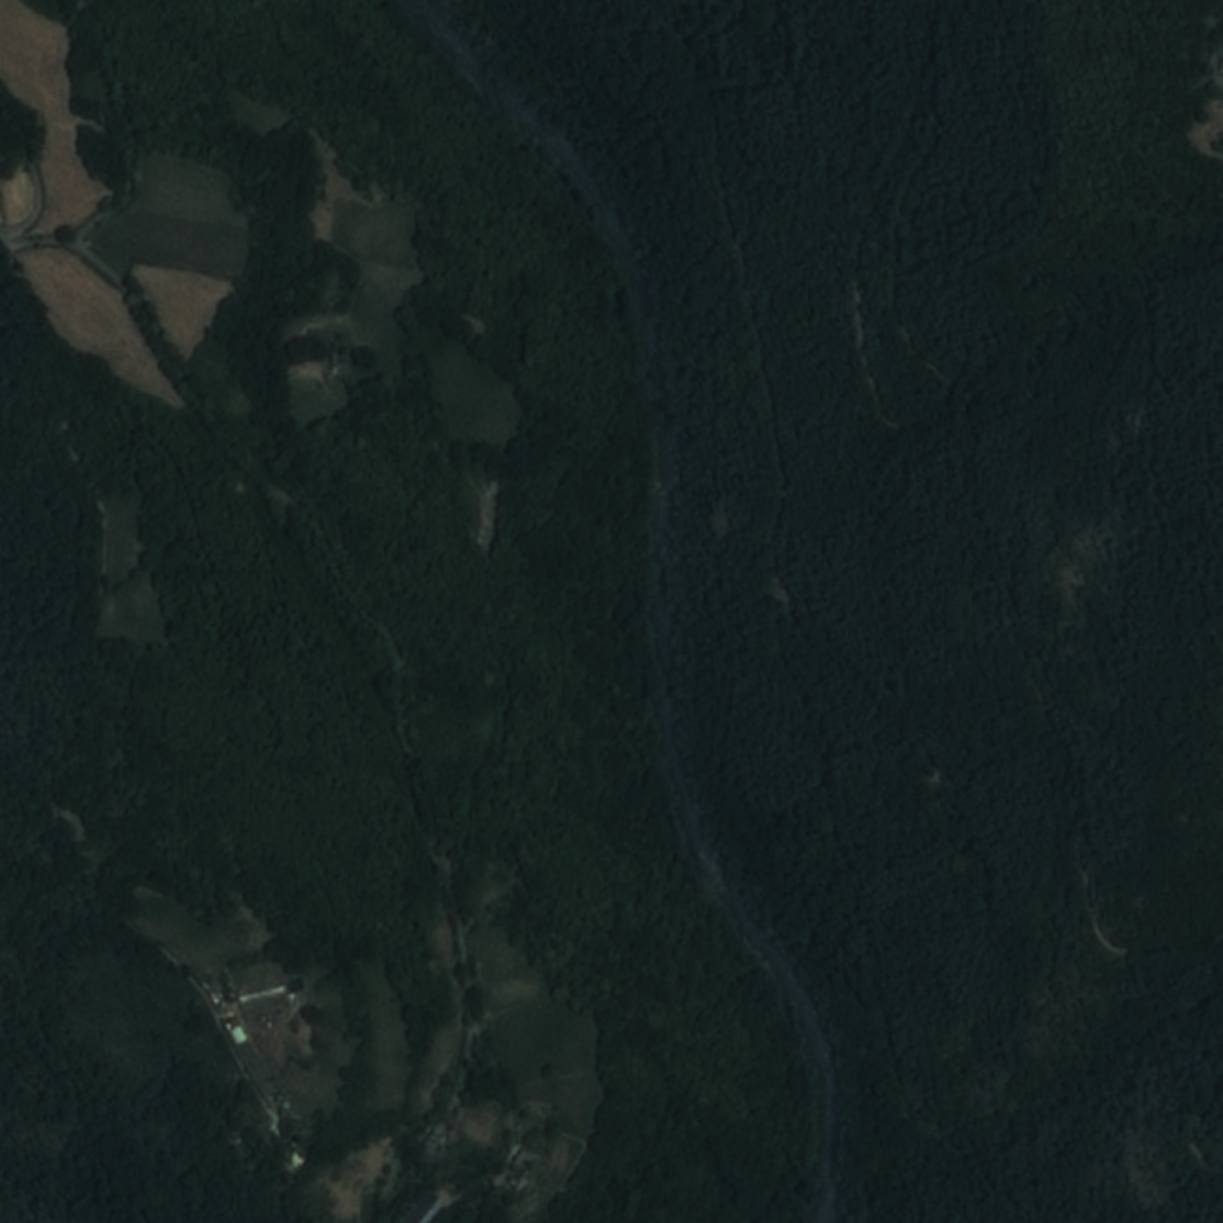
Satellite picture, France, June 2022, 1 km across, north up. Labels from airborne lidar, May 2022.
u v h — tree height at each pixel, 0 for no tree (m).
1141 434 11
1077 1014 7
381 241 0
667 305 23
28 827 14
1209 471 25
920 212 11
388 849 13
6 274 8
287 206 9
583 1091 0
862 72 18
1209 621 10
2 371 17
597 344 19
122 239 0
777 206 12
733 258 11
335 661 13
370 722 17
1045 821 22
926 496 11
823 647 16
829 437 12
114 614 0
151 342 13
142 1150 12
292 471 14
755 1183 27
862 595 21
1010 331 22
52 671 8
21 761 14
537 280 15
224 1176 14
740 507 12
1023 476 22
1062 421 19
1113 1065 23
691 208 18
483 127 20
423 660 17
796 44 26
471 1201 9
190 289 0
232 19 13
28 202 0
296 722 12
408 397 17
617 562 20
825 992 26
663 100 31
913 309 13
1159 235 13
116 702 14
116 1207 18
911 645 21
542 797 13
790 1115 17
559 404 16
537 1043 0
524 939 9
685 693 22
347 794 12
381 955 12
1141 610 22
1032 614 19
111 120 16
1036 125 15
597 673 16
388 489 12
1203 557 16
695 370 16
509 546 17
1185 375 12
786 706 20
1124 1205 17
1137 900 7
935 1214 16
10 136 14
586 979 15
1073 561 6
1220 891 11
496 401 0
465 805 10
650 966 15
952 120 28
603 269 22
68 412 10
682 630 15
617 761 23
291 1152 9
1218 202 12
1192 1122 17
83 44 19
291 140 17
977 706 11
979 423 25
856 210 19
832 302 9
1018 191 20
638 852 17
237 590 14
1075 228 13
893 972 20
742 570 14
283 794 14
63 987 6
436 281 13
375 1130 10
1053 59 13
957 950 26
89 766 10
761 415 14
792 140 27
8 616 13
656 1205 14
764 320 11
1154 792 16
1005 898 22
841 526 13
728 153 13
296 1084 0
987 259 23
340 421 15
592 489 22
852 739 21
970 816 20
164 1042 10
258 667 10
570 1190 6
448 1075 8
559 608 13
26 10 0
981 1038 16
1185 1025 25
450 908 12
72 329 0
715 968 19
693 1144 15
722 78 14
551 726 11
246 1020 0
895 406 11
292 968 11
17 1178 9
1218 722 8
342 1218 0
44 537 18
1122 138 14
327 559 13
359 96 15
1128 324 19
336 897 11
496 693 8
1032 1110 16
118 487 13
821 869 14
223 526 11
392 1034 0
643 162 24
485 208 14
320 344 16
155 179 0
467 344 10
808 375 10
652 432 22
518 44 14
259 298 10
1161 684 18
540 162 19
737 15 9
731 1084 12
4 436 15
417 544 19
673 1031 13
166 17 13
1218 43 12
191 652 15
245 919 0
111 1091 10
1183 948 11
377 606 18
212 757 12
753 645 20
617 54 26
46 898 11
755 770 19
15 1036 15
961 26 23
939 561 23
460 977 11
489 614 12
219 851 10
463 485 8
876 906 24
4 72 0
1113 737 11
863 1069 20
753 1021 22
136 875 11
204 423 13
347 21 22
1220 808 9
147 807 13
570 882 9
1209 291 30
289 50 18
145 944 12
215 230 0
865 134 28
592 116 22
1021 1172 23
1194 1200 26
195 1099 13
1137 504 16
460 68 14
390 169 17
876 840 18
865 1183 17
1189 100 10
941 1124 12
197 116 16
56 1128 10
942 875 25
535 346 15
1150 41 10
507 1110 7
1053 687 10
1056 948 7
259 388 12
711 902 16
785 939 24
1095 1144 13
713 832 17
